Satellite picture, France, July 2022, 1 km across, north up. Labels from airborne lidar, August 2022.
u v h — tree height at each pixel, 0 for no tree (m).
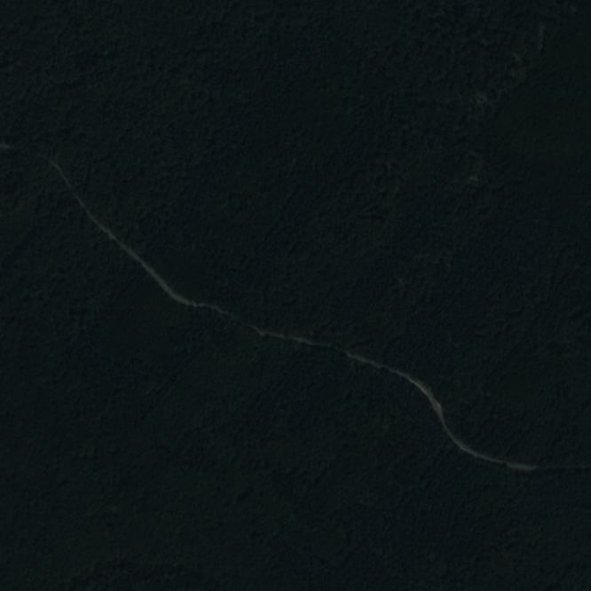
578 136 10
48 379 21
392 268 15
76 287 19
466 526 20
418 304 15
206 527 16
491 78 27
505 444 17
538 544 18
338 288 14
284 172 17
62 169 12
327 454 17
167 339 11
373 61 20
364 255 17
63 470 18
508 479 17
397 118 18
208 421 16
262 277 17
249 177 13
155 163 18
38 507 19
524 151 6
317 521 15
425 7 21
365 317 17
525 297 15
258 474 18
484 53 24
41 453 22
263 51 24
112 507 19
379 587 16
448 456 19
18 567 17
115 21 18
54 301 16
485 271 20
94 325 18
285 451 17
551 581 12
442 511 17
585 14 8
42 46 18
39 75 18
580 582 16
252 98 20
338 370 17
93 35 6
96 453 22
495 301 21
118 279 17
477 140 14
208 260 10
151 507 20
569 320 19
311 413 18
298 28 18
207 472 17
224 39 19
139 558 17
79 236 21
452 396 18
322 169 16
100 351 10
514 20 19
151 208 12
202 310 12
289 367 18
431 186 13
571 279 20
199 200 19
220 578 16
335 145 13
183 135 21
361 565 13
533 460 12
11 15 20
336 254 16
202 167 17
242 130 20
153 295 9
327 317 17
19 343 19
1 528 17
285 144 9
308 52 20
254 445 22
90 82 19
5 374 21
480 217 17
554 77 14
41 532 21
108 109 23
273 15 19
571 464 12
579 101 8
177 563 10
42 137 19
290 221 14
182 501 18
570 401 9
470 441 12
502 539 15
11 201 7
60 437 17
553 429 11
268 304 17
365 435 11
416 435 14
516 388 8
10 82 17
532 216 18
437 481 13
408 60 21
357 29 20
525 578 20
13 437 18
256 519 16
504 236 20
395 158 19
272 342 14
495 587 16
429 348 20
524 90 11
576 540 17
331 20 26
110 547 17
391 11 23
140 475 19
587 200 13
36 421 21
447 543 18
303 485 18
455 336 24
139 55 19
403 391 17
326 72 12
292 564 20
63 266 21
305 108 13
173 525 19
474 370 17
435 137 31
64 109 17
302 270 18
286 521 16
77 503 18
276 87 20
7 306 17
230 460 17
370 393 22
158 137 12
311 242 14
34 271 18
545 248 17
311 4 18
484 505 10
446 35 25
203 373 8
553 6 26
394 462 9
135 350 11
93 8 22
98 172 19
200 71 19
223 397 12
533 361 6
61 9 15
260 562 17
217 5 20
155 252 20
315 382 19
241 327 16
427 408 20
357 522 18
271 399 19
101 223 13
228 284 12
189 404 7
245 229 10
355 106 6
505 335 16
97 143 19
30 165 19
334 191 16
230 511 17
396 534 18
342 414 18
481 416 11
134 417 19
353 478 15
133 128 18
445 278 22
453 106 22
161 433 12
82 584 7
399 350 21
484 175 12
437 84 27
